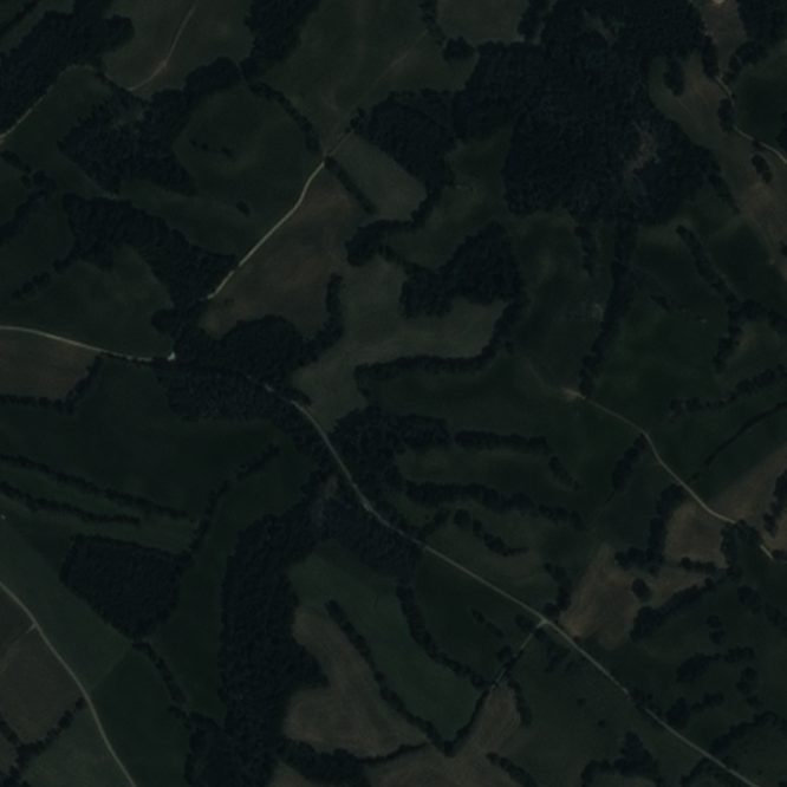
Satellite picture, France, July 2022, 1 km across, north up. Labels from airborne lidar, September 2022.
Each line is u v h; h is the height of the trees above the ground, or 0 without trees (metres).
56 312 0
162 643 0
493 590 0
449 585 0
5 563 0
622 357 0
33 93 15
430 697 0
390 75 0
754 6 24
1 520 0
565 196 18
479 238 10
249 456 0
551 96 23
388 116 18
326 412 0
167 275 12
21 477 0
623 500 0
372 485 9
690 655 0
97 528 0
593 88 29
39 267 0
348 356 0
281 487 0
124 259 0
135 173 26
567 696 0
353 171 0
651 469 0
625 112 24
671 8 13
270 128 0
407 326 0
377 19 0
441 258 0
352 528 30
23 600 0
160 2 0
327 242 0
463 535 0
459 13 0
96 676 0
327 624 0
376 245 18
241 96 0
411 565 28
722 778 7
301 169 0
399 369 16
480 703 9
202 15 0
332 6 0
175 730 0
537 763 0
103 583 7
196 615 0
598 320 0
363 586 0
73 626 0
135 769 0
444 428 21
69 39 18
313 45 0
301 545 24
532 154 32
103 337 0
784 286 0
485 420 0
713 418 0
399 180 0
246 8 0
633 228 24
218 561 0
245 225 0
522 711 16
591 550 0
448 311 11
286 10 24
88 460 0
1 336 0
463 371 14
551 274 0
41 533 0
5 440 0
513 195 16
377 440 30
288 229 0
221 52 0
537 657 0
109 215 28
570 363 0
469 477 0
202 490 0
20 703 0
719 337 0
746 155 0
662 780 16
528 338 0
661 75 0
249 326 15
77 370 0
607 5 14
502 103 36
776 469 0
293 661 26
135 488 0
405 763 0
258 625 11
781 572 0
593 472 0
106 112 11
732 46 0
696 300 0
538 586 0
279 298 0
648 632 19
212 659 0
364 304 0
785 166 0
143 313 0
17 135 0
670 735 0
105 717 0
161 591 7
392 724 0
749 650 7
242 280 0
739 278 0
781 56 0
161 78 0
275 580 13
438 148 21
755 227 0
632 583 0
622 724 0
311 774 20
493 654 0
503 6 0
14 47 0
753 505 0
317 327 0
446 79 0
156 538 0
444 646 0
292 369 9
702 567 14
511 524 0
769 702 0
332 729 0
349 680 0
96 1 17
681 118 0
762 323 12
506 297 18
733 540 20
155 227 33
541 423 0
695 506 0
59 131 0
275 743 15
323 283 0
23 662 0
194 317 15
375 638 0
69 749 0
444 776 0
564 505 0
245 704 17
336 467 17
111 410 0
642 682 0
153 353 0
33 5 10
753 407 0
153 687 0
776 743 0
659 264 0
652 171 17
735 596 0
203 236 0
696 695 0
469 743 0
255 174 0
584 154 34
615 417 0
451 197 0
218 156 0
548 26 18
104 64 10
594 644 0
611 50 29
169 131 15
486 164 0
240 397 21
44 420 0
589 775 14
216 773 6
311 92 0
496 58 22
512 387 0
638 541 0
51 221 0
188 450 0
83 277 0
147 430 0
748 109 0
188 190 25
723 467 0
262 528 21
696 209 0
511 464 0
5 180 0
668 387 0
